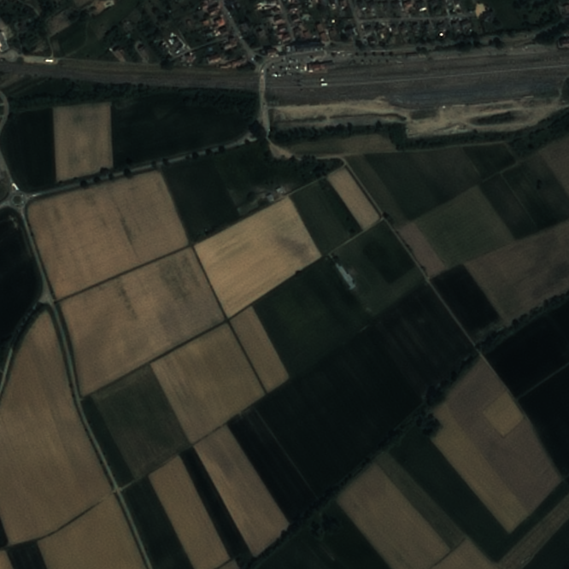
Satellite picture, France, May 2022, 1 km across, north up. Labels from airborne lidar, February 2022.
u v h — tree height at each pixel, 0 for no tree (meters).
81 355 0
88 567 0
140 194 0
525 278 0
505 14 0
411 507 0
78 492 0
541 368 0
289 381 0
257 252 0
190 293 0
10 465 0
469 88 0
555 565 0
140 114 0
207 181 0
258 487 0
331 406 0
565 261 0
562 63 0
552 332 0
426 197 0
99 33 0
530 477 0
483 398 0
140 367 0
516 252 0
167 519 0
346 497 0
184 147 0
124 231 0
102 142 0
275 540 0
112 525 0
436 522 0
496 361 0
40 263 0
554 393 0
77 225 0
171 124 0
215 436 0
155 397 0
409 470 0
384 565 0
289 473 0
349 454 0
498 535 0
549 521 0
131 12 0
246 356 0
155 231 0
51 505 0
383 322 0
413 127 0
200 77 0
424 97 0
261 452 0
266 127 0
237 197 0
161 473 0
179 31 0
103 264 0
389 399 0
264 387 0
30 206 0
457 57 0
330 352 0
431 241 0
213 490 0
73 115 0
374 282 0
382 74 0
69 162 0
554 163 0
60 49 0
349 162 0
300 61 0
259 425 0
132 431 0
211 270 0
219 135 0
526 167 0
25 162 0
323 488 0
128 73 0
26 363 0
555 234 0
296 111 0
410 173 0
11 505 0
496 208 0
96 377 0
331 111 0
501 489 0
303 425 0
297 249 0
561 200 0
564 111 0
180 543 0
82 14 7
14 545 0
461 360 0
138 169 0
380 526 0
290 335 0
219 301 0
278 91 0
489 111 0
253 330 0
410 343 0
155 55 0
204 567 0
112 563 0
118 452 0
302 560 0
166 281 0
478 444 0
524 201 0
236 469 0
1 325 0
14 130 0
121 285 0
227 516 0
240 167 0
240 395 0
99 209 0
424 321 0
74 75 0
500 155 0
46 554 0
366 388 0
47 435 0
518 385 0
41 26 14
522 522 0
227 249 0
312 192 0
